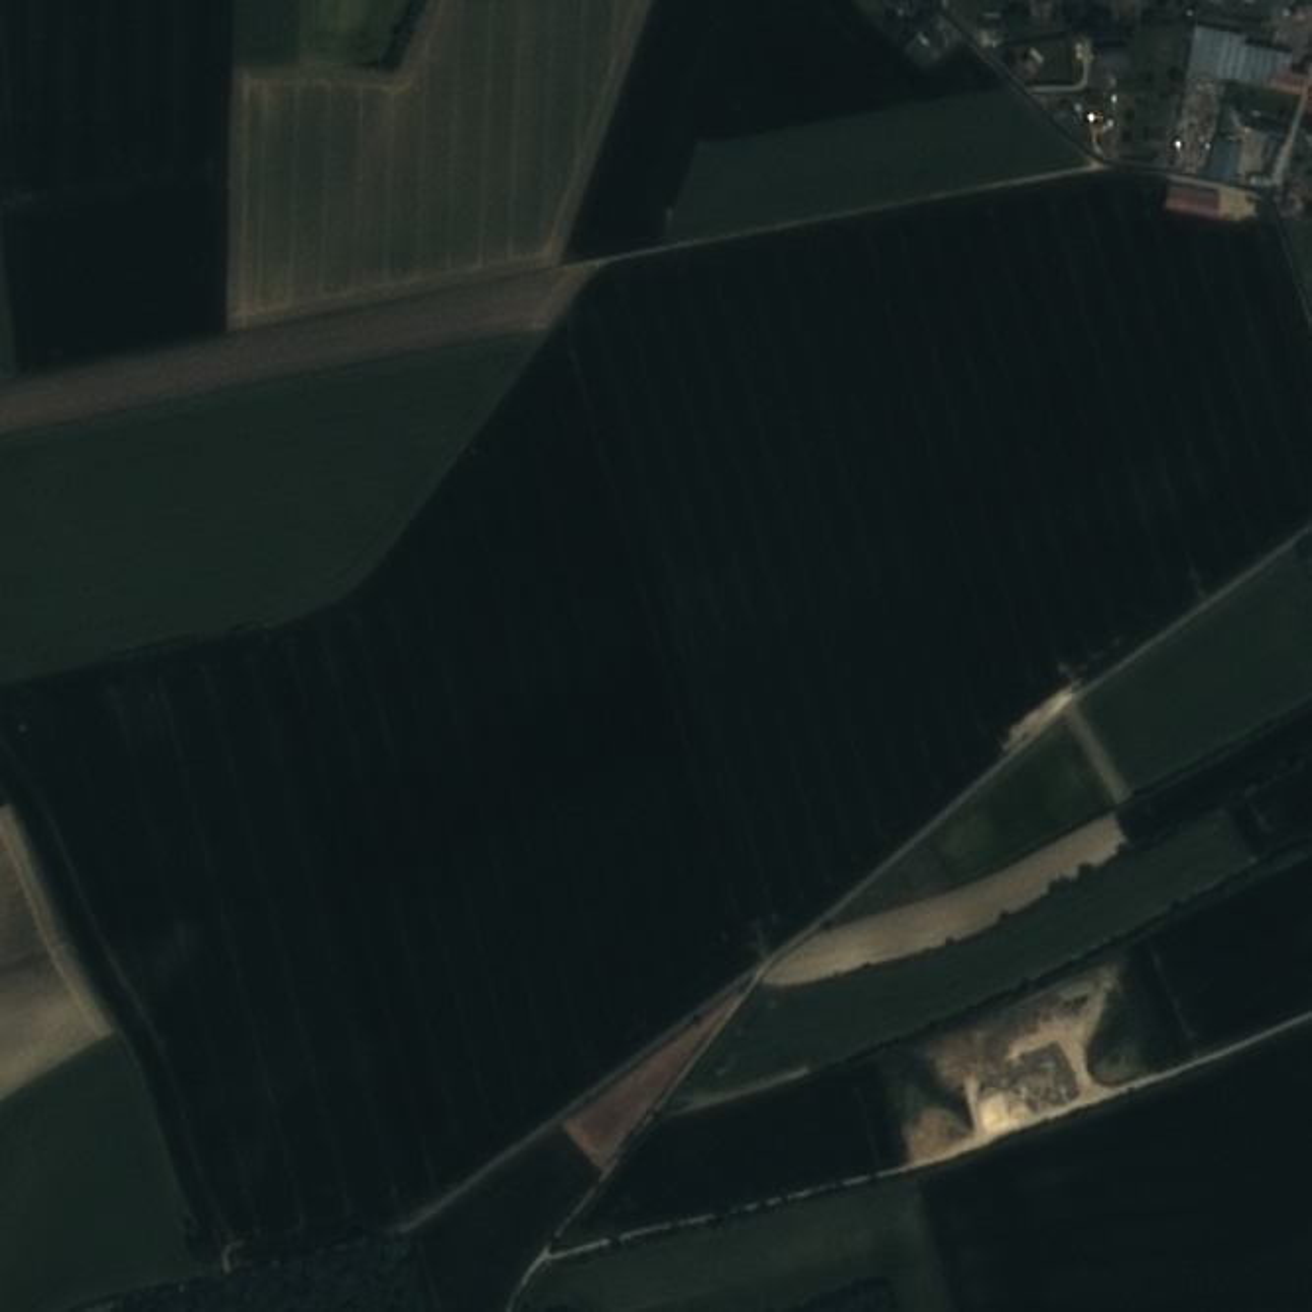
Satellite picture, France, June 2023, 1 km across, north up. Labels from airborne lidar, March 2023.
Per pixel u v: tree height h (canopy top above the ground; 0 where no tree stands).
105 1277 0
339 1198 0
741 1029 0
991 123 0
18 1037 0
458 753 0
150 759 0
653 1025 0
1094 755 0
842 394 0
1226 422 0
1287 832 0
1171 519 0
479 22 0
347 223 0
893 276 0
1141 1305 0
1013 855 0
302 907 0
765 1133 0
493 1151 0
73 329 0
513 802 0
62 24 0
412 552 0
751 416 0
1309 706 0
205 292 0
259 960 0
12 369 0
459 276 0
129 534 0
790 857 0
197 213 0
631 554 0
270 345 0
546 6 0
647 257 0
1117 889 0
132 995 0
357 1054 0
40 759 0
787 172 0
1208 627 0
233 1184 0
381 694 0
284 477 0
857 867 0
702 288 0
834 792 0
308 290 0
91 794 0
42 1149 0
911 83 0
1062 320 0
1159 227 0
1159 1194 0
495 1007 0
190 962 0
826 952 0
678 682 0
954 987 0
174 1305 17
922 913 0
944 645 0
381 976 0
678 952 0
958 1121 0
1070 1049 0
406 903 0
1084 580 0
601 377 0
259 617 0
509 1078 0
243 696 0
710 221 0
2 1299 0
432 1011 0
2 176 0
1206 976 0
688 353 0
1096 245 0
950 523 0
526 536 0
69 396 0
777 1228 0
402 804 0
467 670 0
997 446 0
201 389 0
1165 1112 0
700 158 0
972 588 0
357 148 0
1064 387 0
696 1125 0
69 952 0
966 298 0
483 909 0
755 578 0
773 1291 0
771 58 0
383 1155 0
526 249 0
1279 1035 0
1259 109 0
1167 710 0
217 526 0
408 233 0
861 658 0
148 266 0
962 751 0
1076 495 0
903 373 0
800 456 0
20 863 0
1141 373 0
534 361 0
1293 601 0
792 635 0
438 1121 0
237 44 0
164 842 0
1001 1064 0
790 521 0
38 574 0
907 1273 0
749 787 0
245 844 0
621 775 0
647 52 0
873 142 0
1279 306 0
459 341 0
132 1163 0
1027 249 0
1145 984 0
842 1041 0
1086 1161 0
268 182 0
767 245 0
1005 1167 0
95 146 0
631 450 0
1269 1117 0
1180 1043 0
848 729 0
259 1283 22
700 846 0
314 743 0
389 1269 19
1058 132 0
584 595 0
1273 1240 0
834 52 0
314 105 0
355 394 0
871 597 0
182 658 0
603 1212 0
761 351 0
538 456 0
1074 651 0
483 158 0
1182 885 0
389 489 0
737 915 0
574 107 0
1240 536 0
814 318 0
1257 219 0
